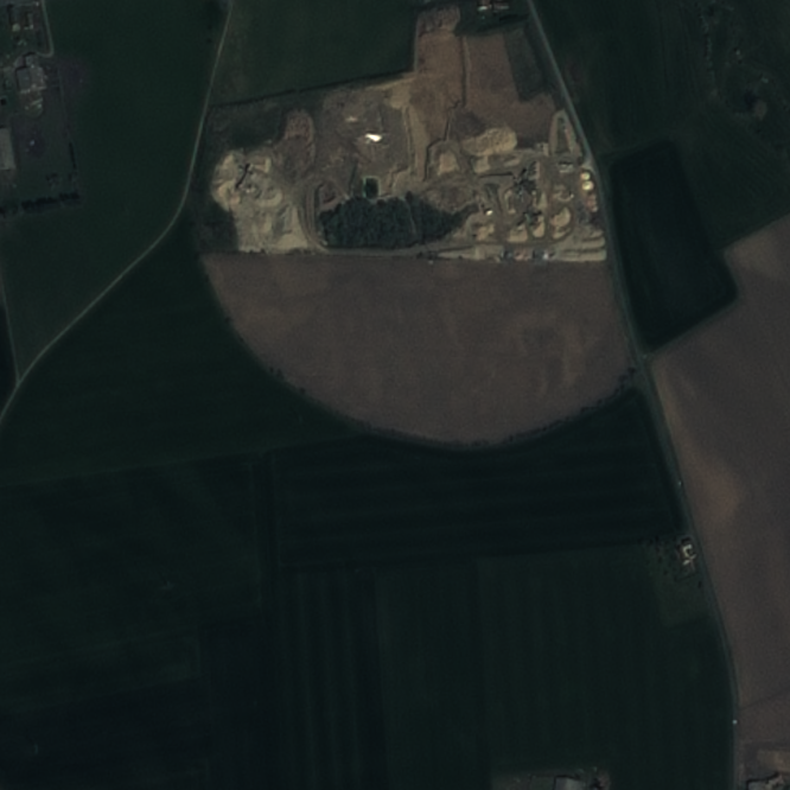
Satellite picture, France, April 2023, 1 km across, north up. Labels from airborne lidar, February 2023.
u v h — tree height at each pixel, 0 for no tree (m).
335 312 0
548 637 0
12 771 0
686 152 0
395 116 0
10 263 0
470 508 0
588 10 0
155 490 0
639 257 0
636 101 0
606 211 0
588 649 0
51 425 0
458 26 0
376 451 0
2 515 0
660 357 0
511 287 0
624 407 0
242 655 0
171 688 0
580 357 0
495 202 0
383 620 0
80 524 0
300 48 0
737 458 0
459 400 0
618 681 0
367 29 0
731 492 0
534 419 0
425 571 0
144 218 0
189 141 0
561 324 0
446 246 0
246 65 0
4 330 0
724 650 0
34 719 0
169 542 0
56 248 0
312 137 0
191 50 0
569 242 0
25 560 0
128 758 0
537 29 0
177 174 0
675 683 0
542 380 0
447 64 0
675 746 0
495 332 0
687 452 0
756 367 0
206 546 0
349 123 0
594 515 0
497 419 0
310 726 0
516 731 0
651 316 0
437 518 0
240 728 0
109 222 0
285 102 0
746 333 0
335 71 0
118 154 0
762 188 0
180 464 0
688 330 0
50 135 0
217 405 0
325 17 0
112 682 0
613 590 0
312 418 0
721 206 0
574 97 0
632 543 0
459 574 0
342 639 0
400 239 14
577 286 0
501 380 0
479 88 0
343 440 0
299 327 0
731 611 0
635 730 0
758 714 0
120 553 0
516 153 0
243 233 0
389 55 0
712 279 0
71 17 0
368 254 0
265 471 0
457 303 0
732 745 0
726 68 0
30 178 0
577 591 0
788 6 0
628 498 0
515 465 0
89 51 0
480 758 0
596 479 0
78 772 0
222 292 0
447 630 0
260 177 0
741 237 0
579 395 0
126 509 0
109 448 0
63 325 0
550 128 0
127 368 0
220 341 0
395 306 0
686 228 0
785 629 0
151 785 0
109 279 0
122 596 0
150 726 0
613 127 0
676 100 0
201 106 0
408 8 0
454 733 0
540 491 0
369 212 16
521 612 0
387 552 0
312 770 0
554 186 0
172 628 0
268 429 0
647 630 0
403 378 0
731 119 0
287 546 0
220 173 0
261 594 0
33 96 0
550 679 0
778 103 0
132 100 0
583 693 0
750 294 0
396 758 0
